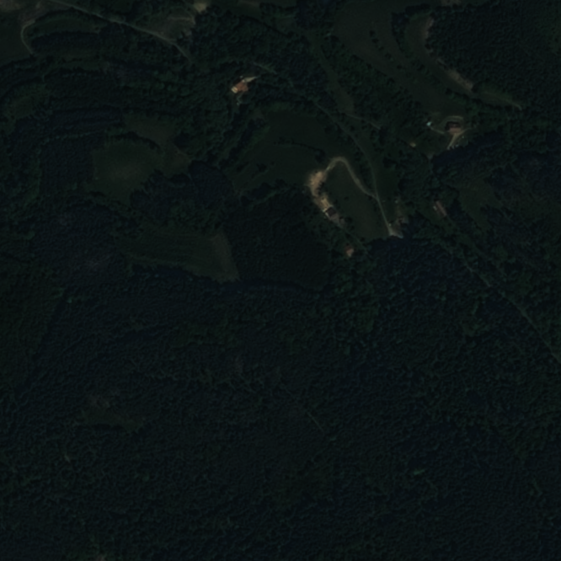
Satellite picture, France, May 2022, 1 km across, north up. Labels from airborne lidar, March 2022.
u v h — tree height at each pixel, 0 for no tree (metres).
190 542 24
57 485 27
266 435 23
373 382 36
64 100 15
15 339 10
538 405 14
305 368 21
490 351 17
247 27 22
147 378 19
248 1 0
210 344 23
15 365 9
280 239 10
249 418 23
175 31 0
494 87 18
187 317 30
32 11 0
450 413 8
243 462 23
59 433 25
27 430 19
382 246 27
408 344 19
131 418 21
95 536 26
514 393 19
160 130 0
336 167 0
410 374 16
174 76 23
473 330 26
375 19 0
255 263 11
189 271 0
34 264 6
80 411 20
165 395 19
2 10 0
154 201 27
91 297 16
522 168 31
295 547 29
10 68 8
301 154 0
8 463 7
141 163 0
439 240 27
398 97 7
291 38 14
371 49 0
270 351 23
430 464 31
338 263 20
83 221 23
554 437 14
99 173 0
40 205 7
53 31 0
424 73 18
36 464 24
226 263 0
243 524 25
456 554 29
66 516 27
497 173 0
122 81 22
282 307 26
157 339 26
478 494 35
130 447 30
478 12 18
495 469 29
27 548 29
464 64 10
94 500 28
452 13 13
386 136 21
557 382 13
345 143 15
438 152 0
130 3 0
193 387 22
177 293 35
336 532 20
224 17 15
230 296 29
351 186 0
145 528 27
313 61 26
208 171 25
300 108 22
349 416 24
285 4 0
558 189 32
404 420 31
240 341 26
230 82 6
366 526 17
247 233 11
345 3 6
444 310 18
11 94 18
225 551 29
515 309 34
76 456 23
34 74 8
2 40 0
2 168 8
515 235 30
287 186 21
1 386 11
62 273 19
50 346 20
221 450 26
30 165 31
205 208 25
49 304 5
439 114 0
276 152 0
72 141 21
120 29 16
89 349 22
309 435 25
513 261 7
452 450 34
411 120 6
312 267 10
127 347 28
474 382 15
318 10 9
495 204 0
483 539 32
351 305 26
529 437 16
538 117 21
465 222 30
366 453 22
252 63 17
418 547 23
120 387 22
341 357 20
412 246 30
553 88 11
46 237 25
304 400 22
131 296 29
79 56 0
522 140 16
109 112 24
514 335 41
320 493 8
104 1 0
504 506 37
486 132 0
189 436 26
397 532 19
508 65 14
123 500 29
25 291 14
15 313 8
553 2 6
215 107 24
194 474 25
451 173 29
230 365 21
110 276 27
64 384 18
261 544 28
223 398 24
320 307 22
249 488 24
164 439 27
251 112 15
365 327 30
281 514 19
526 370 15
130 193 0
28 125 18
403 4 0
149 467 29
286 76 21
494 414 45
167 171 0
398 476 10
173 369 22
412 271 36
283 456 26
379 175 0
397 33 14
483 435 32
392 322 18
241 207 12
